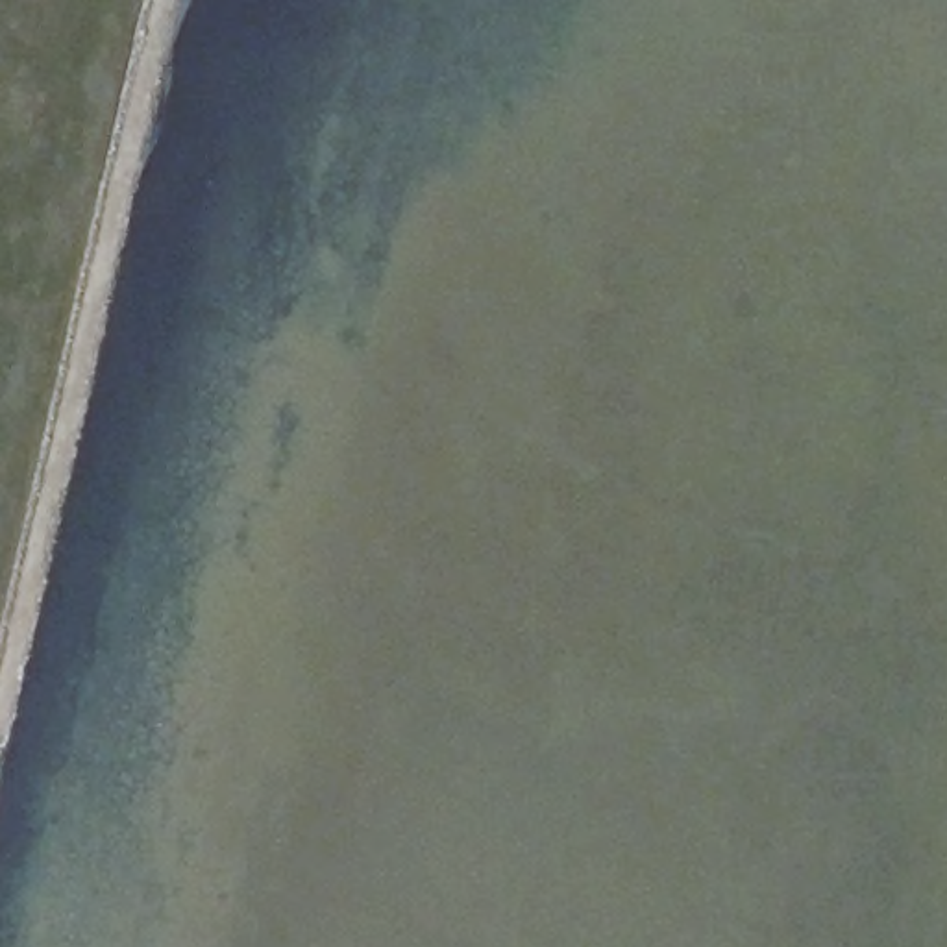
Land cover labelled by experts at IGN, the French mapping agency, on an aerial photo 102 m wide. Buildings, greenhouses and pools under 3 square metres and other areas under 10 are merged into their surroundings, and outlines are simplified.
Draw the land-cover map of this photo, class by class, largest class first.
<instances>
[{"label":"water","instance_id":"1","mask_svg":"<svg viewBox=\"0 0 947 947\"><path fill-rule=\"evenodd\" d=\"M141 0H0V610L11 581L15 547L26 525L33 462L41 451L59 351L67 340L78 270L85 259L89 218L107 166L115 115L122 104ZM185 11L178 18L174 44L163 63V85L155 96L144 163L129 203V226L111 281L104 340L78 437V455L70 466V485L59 507L48 581L22 673L11 740L0 755V947H947V0H181Z\"/></svg>","mask_w":947,"mask_h":947},{"label":"pervious surface","instance_id":"2","mask_svg":"<svg viewBox=\"0 0 947 947\"><path fill-rule=\"evenodd\" d=\"M185 11L181 0H141L122 104L115 115L107 166L89 218L85 259L78 270L67 340L59 351L41 451L33 462L26 525L15 547L11 581L0 610V755L11 740L22 673L48 581L59 507L70 485V466L78 455V437L104 340L111 281L129 226V203L144 163L155 96L163 85V63L174 44L178 18Z\"/></svg>","mask_w":947,"mask_h":947}]
</instances>
